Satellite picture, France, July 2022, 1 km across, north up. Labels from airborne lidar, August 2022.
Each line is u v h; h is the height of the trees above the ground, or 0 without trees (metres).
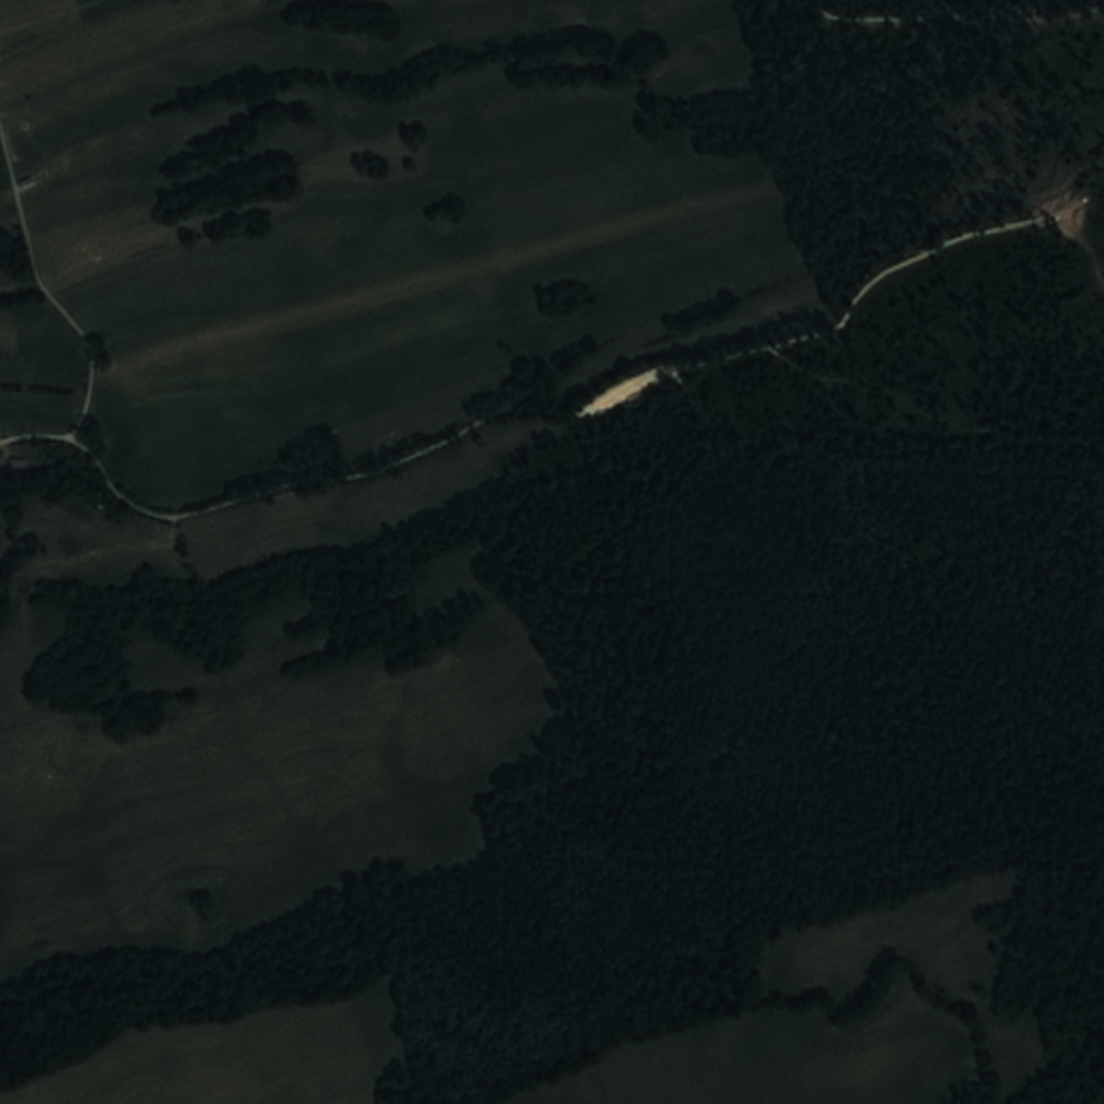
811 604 12
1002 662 19
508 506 18
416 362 0
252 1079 0
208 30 0
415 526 9
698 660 18
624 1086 0
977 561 17
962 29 31
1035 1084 15
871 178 27
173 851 0
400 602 11
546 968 17
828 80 27
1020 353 18
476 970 22
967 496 16
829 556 14
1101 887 25
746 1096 0
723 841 20
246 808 0
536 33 0
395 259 0
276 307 0
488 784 0
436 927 19
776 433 13
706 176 0
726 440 14
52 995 19
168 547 0
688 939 15
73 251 0
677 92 0
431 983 24
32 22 0
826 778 16
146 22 0
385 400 0
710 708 19
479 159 0
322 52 0
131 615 8
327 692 0
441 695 0
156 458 0
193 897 15
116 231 0
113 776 0
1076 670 24
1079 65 20
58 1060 8
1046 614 20
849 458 18
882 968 22
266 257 0
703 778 22
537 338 0
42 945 0
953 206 0
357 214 0
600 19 0
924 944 0
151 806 0
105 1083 0
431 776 0
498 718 0
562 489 9
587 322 0
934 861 15
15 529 6
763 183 0
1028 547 22
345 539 0
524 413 12
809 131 33
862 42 14
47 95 0
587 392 17
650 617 23
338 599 12
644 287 0
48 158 0
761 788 22
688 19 0
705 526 15
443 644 13
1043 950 20
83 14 0
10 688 0
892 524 21
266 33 0
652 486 11
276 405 0
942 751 9
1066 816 14
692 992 21
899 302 12
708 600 19
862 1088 0
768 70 24
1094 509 28
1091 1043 14
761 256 0
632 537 16
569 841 19
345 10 18
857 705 17
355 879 17
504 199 0
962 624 19
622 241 0
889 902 16
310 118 18
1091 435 9
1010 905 13
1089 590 16
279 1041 0
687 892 16
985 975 0
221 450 0
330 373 0
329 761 0
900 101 39
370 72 0
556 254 0
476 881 19
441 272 0
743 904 20
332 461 20
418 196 0
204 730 0
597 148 0
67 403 0
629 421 8
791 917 21
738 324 0
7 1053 21
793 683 15
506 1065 26
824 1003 15
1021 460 20
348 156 0
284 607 0
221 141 13
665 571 17
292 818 0
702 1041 0
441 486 0
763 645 17
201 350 0
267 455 0
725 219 0
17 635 0
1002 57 35
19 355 0
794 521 11
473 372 0
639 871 16
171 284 0
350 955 19
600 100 0
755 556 12
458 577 0
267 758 0
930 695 19
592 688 27
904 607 17
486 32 0
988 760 27
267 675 0
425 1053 14
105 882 0
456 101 0
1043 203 0
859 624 15
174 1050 0
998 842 16
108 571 0
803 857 22
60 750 0
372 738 0
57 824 0
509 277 0
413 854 0
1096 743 25
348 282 0
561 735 29
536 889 17
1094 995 32
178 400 0
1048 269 6
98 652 18
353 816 0
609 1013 19
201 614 9
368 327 0
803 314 0
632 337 0
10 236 11
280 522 0
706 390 6
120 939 0
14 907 0
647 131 15
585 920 17
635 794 22
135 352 0
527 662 0
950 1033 0
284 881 0
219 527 0
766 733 19
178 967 18
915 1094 0
